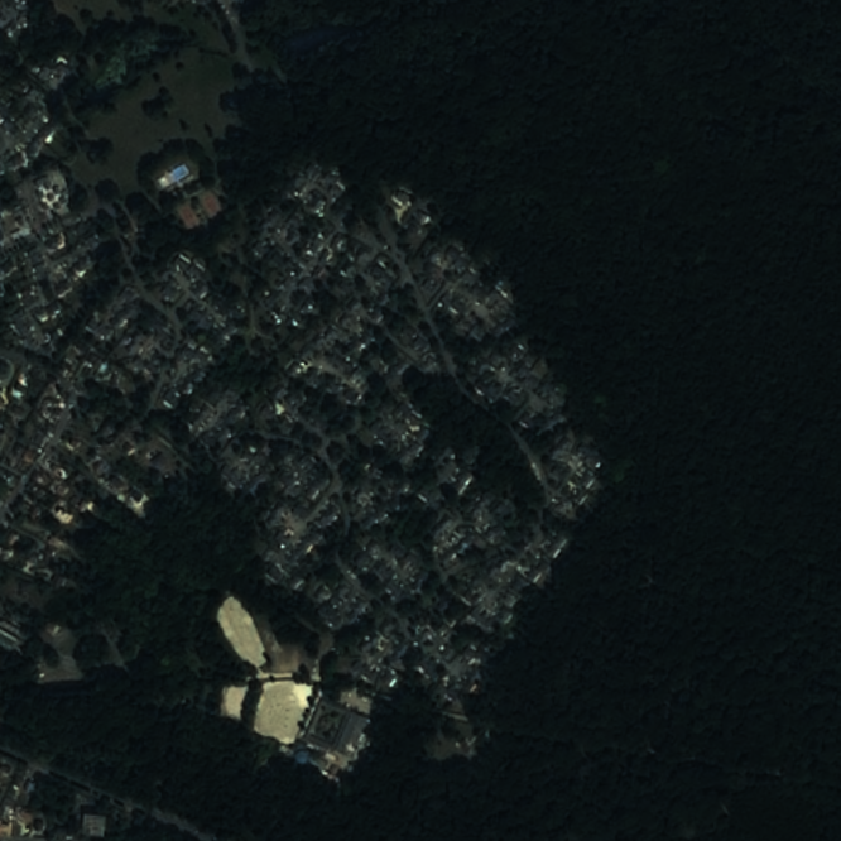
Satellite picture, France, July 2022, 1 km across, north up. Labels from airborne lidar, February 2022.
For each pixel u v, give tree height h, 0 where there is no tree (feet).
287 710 0
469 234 54
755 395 43
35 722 73
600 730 76
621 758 24
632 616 38
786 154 85
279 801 79
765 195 47
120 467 18
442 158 83
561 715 70
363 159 65
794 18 71
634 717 60
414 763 62
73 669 0
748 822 35
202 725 46
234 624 0
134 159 0
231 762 67
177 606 74
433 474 59
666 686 67
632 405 26
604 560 44
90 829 0
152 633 73
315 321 29
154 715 69
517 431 38
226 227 63
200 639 71
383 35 88
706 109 82
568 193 61
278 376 34
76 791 21
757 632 61
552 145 64
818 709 68
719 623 69
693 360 45
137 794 61
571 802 62
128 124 0
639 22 72
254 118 94
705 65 77
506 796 52
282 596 31
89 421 45
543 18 79
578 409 52
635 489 59
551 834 55
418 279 31
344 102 91
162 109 44
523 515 38
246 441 50
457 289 0
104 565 75
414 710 59
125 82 50
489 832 87
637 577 73
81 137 55
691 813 79
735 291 46
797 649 44
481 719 68
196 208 25
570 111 62
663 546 66
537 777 69
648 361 25
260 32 64
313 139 70
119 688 52
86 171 0
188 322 21
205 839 0
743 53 73
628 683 49
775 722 60
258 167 70
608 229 64
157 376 33
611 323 60
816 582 61
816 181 90
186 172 0
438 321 45
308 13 80
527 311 59
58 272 0
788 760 51
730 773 69
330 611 42
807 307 34
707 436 63
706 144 78
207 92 0
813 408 39
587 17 89
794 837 35
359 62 114
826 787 54
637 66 83
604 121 58
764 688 72
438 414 59
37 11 62
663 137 64
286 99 110
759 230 31
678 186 57
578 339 71
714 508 59
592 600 67
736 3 76
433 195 70
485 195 77
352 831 63
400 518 49
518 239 70
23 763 28
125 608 69
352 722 0
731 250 44
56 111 97
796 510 56
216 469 61
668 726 61
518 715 59
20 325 0
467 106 88
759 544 68
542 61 82
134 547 68
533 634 66
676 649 76
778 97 56
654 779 72
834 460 47
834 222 62
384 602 40
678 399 44
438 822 66
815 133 78
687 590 58
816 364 29
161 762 78
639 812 75
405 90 88
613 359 75
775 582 56
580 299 64
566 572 70
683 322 59
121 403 46
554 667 75
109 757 72
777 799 28
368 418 44
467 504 41
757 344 34
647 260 39
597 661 63
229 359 42
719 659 87
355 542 49
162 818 0
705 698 72
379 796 77
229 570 59
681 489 42
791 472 34
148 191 36
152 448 0
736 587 61
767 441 32
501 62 77
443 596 48
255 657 0
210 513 67
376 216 39
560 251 61
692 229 34
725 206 72
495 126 75
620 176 62
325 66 88
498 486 67
